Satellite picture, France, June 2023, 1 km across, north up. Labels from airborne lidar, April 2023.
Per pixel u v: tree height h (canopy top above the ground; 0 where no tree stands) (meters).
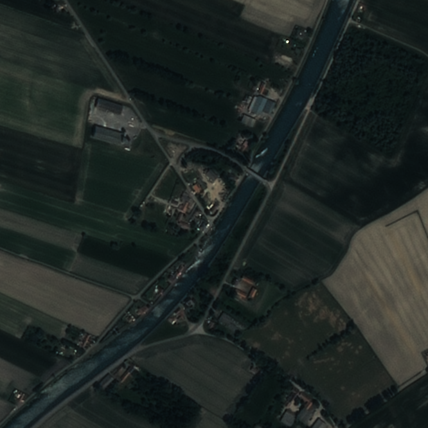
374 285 0
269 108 0
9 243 0
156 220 0
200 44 0
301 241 0
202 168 0
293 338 0
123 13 0
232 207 0
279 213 0
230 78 0
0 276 0
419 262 0
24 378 0
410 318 0
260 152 0
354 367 0
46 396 0
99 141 0
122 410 0
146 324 0
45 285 0
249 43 0
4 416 0
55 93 0
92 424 0
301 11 0
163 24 0
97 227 0
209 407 0
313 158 0
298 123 0
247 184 0
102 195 0
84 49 0
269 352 0
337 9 0
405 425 0
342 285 0
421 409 0
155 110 0
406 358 0
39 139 0
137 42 0
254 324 14
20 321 0
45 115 0
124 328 0
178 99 0
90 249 0
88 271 0
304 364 0
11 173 0
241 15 0
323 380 0
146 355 0
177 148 0
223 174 8
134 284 0
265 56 0
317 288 0
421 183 0
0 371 0
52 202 0
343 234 0
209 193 0
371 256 0
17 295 0
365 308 0
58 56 0
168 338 0
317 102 12
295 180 0
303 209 0
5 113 0
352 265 0
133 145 0
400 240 0
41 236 0
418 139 0
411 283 0
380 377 0
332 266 0
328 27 0
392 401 0
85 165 0
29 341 6
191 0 0
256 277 9
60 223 0
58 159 0
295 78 9
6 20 0
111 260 0
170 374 0
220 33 0
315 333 0
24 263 0
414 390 0
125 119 0
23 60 0
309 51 0
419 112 0
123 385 0
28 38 0
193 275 0
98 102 0
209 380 0
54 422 0
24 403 0
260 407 0
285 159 0
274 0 0
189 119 0
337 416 0
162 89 0
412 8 0
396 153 0
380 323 0
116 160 0
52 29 0
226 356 0
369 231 0
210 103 0
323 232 0
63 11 9
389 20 0
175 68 0
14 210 0
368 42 6
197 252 0
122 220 0
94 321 0
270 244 0
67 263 0
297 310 0
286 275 0
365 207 0
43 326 0
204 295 14
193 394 0
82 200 0
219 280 7
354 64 12
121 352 0
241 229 0
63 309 0
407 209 0
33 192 0
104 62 0
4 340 0
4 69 0
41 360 0
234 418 21
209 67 0
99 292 0
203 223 0
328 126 0
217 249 0
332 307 0
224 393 0
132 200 0
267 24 0
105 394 14
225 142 0
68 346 7
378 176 0
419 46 0
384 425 0
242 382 0
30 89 0
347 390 0
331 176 0
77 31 0
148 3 0
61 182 0
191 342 0
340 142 0
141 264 0
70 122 0
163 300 0
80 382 0
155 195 0
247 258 0
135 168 0
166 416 12
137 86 0
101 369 0
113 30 0
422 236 0
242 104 0
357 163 0
